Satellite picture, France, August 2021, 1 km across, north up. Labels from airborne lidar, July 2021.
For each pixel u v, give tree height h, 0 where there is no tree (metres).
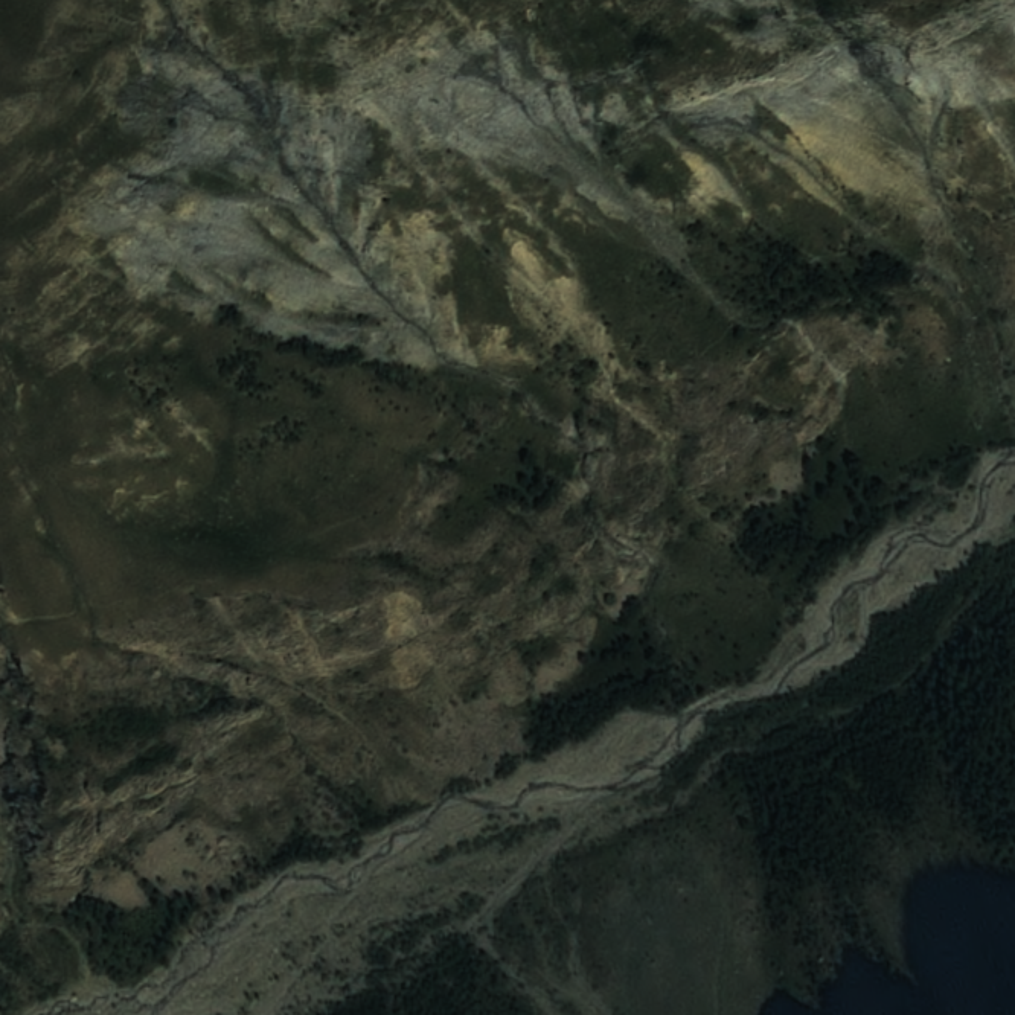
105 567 0
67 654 0
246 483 0
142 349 0
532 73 0
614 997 0
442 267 0
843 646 0
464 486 0
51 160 0
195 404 0
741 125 0
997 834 9
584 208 0
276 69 0
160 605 0
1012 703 24
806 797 10
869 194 0
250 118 0
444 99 0
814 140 0
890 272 12
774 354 0
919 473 9
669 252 0
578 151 0
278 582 0
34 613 0
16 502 0
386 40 0
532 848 0
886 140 0
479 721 0
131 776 7
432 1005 6
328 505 0
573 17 0
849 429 0
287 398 0
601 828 0
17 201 0
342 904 0
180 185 0
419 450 0
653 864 0
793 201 0
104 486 0
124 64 0
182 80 0
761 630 0
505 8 0
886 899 0
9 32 0
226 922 0
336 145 0
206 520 0
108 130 0
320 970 8
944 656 9
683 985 0
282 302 0
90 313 0
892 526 0
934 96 0
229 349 0
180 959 0
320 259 0
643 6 0
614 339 0
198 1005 0
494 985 7
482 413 0
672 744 0
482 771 0
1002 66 0
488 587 0
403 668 0
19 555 0
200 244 0
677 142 0
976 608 6
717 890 0
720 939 0
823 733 9
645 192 0
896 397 0
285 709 0
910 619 9
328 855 6
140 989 0
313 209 0
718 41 0
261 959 0
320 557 0
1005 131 0
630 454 0
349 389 0
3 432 0
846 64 0
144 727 6
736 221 0
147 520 0
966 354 0
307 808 0
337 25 0
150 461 0
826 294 14
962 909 0
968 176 0
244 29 0
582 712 9
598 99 0
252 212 0
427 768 0
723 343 0
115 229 0
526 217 0
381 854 0
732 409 8
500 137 0
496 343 0
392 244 0
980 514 0
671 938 0
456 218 0
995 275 0
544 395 0
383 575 0
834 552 12
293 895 0
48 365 0
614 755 0
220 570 0
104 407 0
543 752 6
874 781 10
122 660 0
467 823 0
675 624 0
